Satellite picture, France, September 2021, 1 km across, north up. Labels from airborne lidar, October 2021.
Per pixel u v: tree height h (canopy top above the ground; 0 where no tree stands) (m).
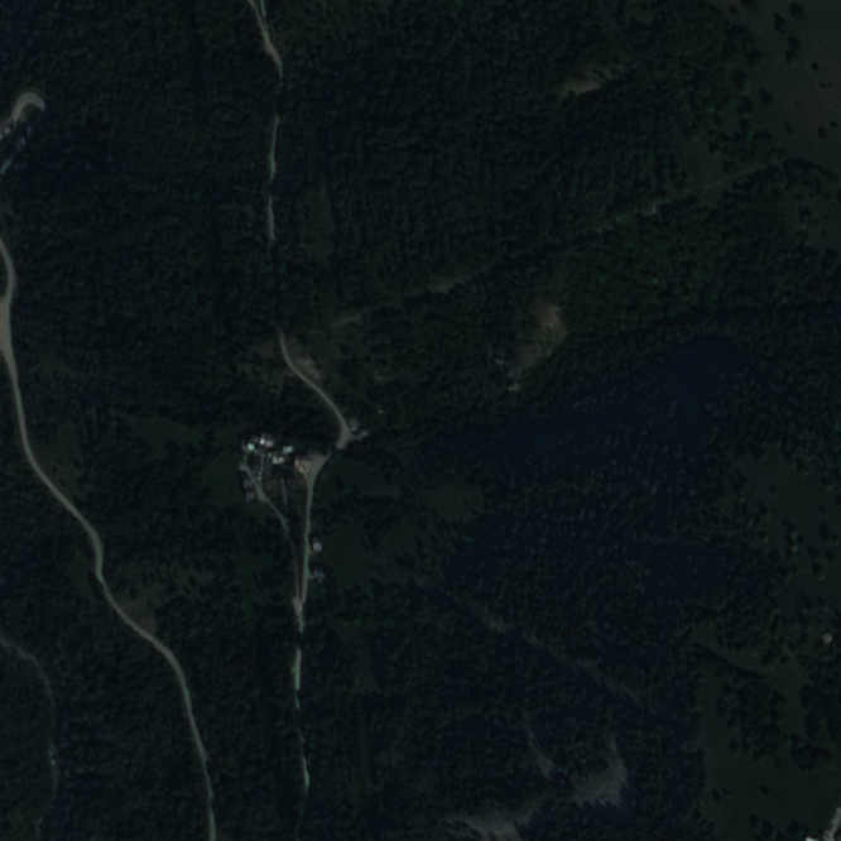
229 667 22
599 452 10
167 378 28
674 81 18
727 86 11
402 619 13
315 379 0
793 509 0
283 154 9
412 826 24
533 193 25
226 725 22
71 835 23
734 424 15
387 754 23
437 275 16
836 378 12
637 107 27
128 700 23
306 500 0
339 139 18
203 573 14
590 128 25
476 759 17
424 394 13
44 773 16
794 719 0
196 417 14
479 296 16
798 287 19
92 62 7
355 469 0
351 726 7
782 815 0
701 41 18
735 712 6
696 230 20
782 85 0
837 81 0
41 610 21
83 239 8
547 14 19
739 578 21
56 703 9
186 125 13
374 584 0
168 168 22
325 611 17
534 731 0
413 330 14
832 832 0
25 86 8
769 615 13
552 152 27
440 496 0
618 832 18
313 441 9
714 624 13
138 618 0
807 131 0
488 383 12
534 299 11
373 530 16
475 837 10
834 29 0
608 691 0
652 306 23
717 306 13
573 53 11
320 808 13
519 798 23
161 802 24
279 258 17
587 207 15
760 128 0
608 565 27
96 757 28
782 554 7
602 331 18
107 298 14
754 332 29
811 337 18
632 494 12
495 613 18
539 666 22
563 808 17
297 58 16
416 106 26
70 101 17
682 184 14
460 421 22
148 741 19
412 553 0
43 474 0
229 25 14
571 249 20
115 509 13
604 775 11
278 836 8
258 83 22
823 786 0
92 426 19
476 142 19
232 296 24
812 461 7
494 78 19
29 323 13
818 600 0
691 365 32
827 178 15
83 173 18
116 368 23
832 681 16
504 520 13
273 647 27
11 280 0
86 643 28
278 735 9
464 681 20
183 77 23
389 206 16
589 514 33
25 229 8
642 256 14
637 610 9
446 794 18
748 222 24
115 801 28
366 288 21
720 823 0
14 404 8
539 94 22
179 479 16
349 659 7
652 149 15
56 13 23
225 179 7
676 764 8
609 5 15
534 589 26
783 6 0
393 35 19
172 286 18
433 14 21
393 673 12
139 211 7
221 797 18
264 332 27
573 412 20
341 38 15
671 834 11
